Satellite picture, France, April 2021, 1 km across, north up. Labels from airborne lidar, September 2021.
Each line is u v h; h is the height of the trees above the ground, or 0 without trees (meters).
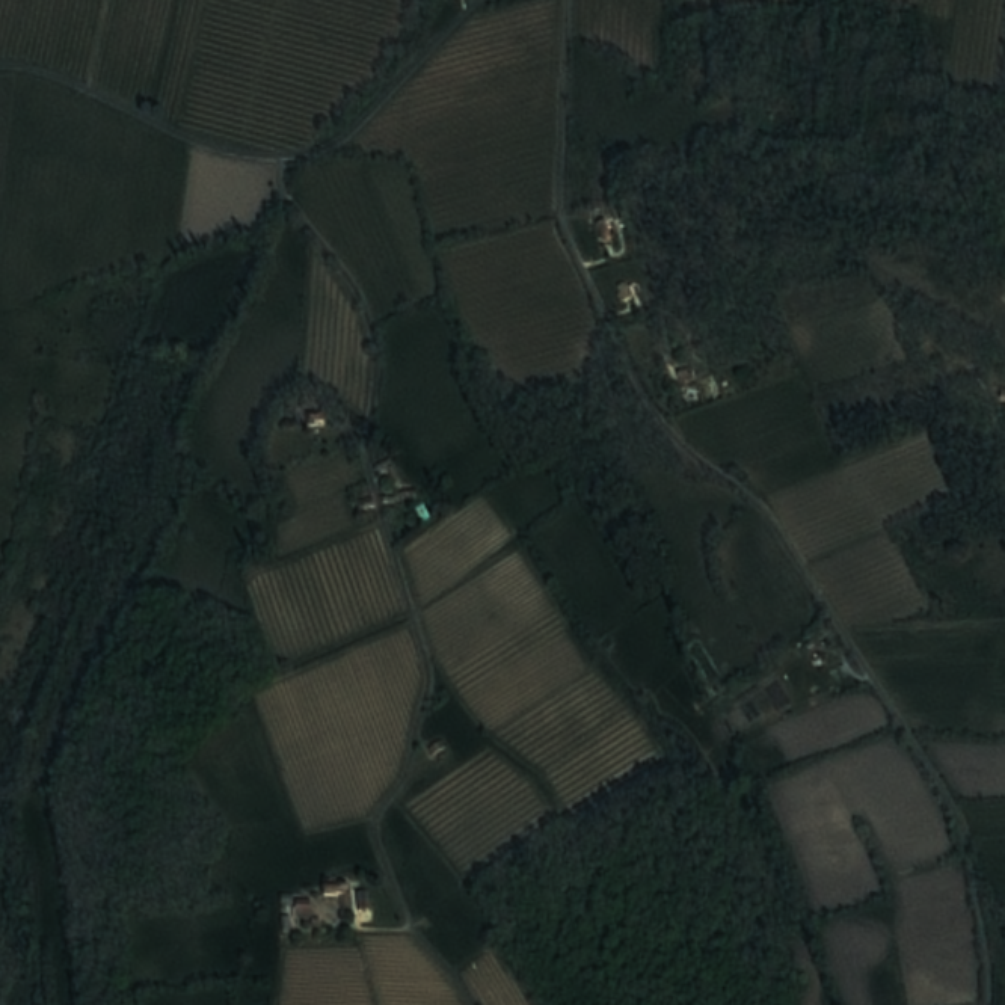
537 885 18
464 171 0
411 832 0
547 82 0
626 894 18
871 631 0
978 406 17
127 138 0
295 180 12
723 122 0
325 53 0
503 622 0
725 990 21
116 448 11
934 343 15
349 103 15
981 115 22
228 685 22
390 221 0
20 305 0
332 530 0
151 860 25
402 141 0
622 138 0
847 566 0
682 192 17
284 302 0
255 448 17
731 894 19
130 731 24
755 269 18
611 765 0
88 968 21
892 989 0
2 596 13
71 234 0
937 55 11
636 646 0
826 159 24
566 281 0
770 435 0
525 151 0
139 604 23
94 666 20
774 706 0
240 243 13
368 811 0
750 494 11
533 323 0
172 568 0
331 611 0
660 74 8
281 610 0
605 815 21
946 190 22
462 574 0
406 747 0
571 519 0
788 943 11
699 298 23
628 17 0
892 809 0
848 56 12
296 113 0
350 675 0
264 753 0
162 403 11
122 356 13
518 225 11
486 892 15
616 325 20
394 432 0
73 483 8
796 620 0
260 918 13
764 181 18
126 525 17
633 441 19
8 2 0
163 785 24
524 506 0
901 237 16
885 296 13
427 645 0
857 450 23
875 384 0
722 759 0
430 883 0
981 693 0
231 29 0
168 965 0
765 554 0
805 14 10
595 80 0
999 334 8
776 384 0
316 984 0
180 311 6
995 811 0
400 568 0
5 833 20
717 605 0
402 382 0
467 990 0
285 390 16
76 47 0
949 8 0
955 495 18
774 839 15
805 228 7
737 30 21
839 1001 8
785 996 19
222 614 22
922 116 20
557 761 0
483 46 0
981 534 21
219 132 0
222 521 0
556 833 19
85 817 23
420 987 0
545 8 0
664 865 22
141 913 16
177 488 11
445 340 0
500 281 0
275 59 0
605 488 24
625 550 27
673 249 21
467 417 0
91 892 20
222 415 0
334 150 15
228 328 19
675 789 19
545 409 30
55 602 11
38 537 8
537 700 0
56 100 0
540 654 0
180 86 0
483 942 10
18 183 0
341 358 0
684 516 0
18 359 0
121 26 0
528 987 11
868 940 0
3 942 14
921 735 8
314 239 14
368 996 0
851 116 10
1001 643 0
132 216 0
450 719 0
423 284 0
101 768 21
